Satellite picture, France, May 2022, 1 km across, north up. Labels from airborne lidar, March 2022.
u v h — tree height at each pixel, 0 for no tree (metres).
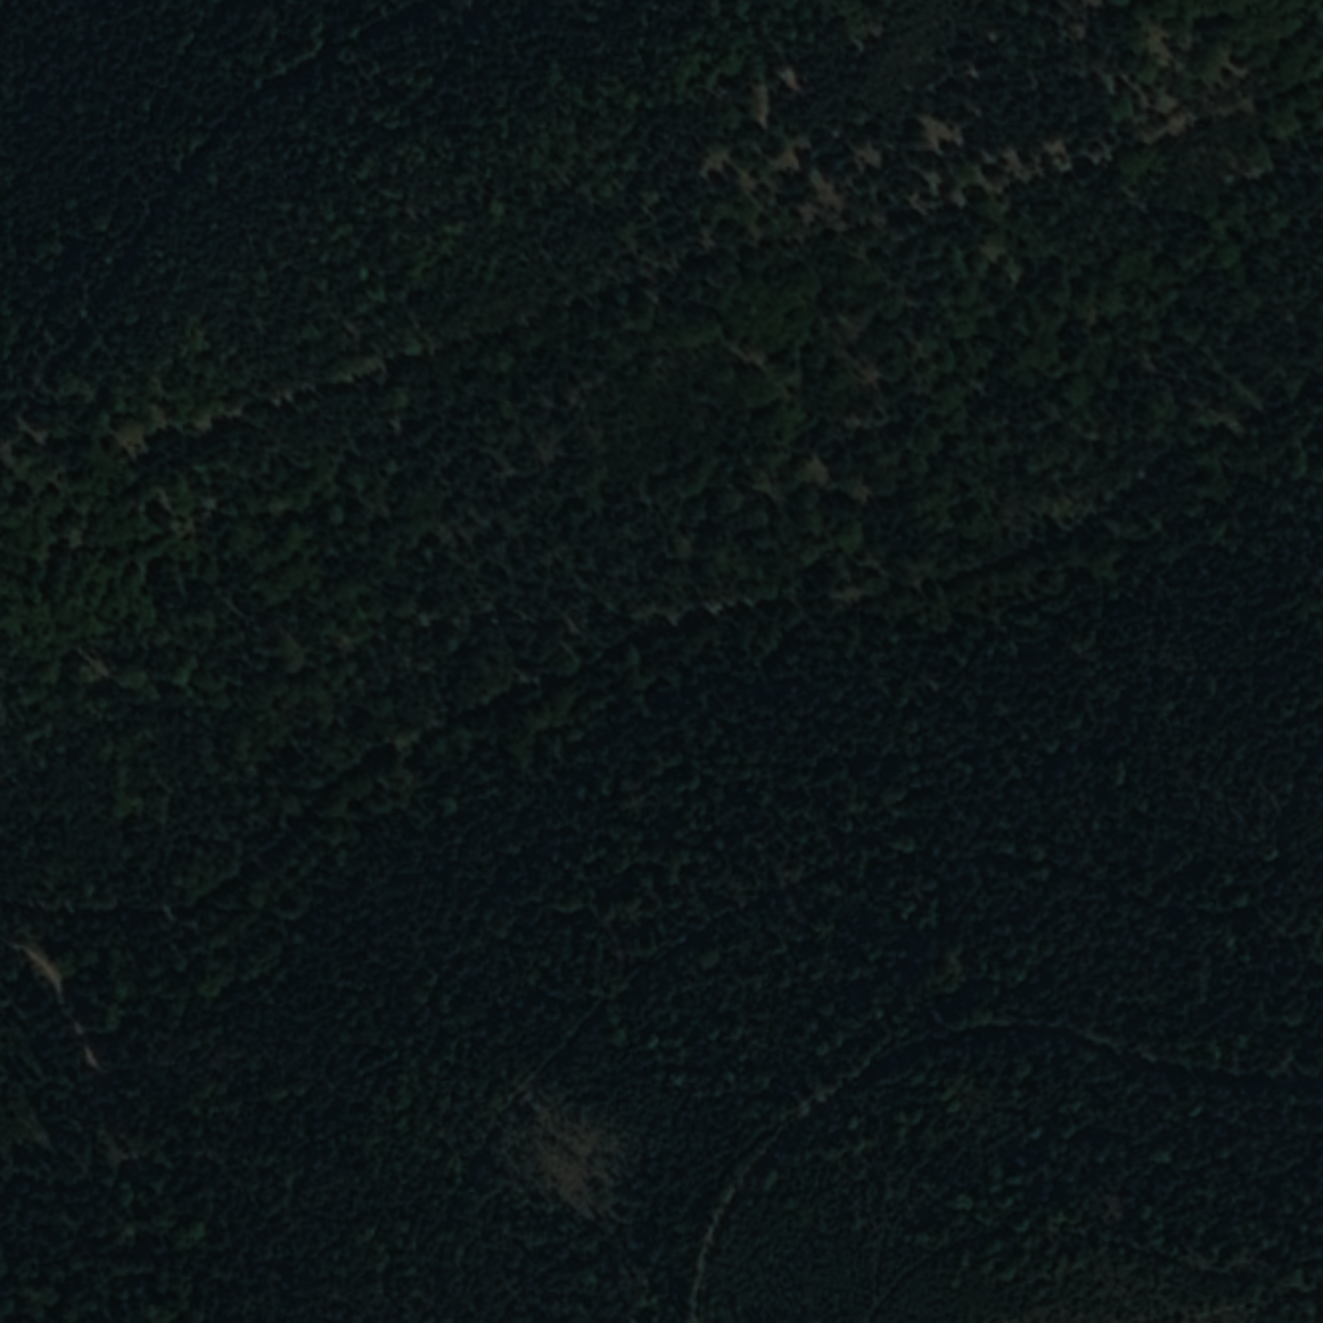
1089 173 26
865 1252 10
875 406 21
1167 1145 35
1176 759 28
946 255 22
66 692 27
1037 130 25
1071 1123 22
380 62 32
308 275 18
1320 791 23
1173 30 17
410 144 27
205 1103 32
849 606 7
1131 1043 29
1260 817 30
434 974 20
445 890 23
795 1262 7
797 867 19
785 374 15
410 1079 26
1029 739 36
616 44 29
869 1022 11
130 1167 0
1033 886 33
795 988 13
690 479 27
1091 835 28
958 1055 22
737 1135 17
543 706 23
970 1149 9
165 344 22
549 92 28
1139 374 25
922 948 33
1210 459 28
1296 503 26
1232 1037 32
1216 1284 8
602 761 29
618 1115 13
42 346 30
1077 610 22
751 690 13
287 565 27
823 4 21
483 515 29
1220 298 25
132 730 27
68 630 31
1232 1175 29
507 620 24
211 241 23
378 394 33
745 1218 10
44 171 28
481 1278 28
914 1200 6
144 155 29
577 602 29
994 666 31
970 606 15
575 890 26
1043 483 24
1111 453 18
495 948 29
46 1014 37
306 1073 30
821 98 28
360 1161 28
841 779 23
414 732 21
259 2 34
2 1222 30
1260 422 31
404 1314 29
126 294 27
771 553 30
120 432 19
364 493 31
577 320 17
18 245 27
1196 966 32
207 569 24
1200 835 31
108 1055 36
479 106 25
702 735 25
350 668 28
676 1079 17
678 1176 18
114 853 30
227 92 24
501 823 28
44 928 39
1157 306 10
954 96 15
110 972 35
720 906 28
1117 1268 8
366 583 28
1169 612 30
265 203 24
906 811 31
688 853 23
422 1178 30
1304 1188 31
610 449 15
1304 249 25
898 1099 12
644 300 30
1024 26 27
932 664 26
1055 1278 8
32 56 27
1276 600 32
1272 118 17
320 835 25
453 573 29
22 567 13
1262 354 32
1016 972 26
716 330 15
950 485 28
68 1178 25
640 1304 9
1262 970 18
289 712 31
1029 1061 15
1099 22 16
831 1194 11
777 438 29
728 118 24
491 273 14
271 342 22
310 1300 29
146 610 17
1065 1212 31
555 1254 27
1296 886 31
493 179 16
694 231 26
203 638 28
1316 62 25
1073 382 28
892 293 14
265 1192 35
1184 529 30
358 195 21
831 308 26
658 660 31
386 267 22
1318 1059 29
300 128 24
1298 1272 19
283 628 35
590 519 28
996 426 22
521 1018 29
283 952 31
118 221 25
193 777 32
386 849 11
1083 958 33
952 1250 9
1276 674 26
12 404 26
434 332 20
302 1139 16
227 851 31
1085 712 32
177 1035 33
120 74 29
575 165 25
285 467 20
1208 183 15
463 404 19
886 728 31
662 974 12
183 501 14
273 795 24
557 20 28
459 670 31
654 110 26
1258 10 24
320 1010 32
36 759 28
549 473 21
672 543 24
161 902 23
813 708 37
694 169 25
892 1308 7
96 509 18
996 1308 8
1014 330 24
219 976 30
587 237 26
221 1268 40
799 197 24
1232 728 27
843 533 19
